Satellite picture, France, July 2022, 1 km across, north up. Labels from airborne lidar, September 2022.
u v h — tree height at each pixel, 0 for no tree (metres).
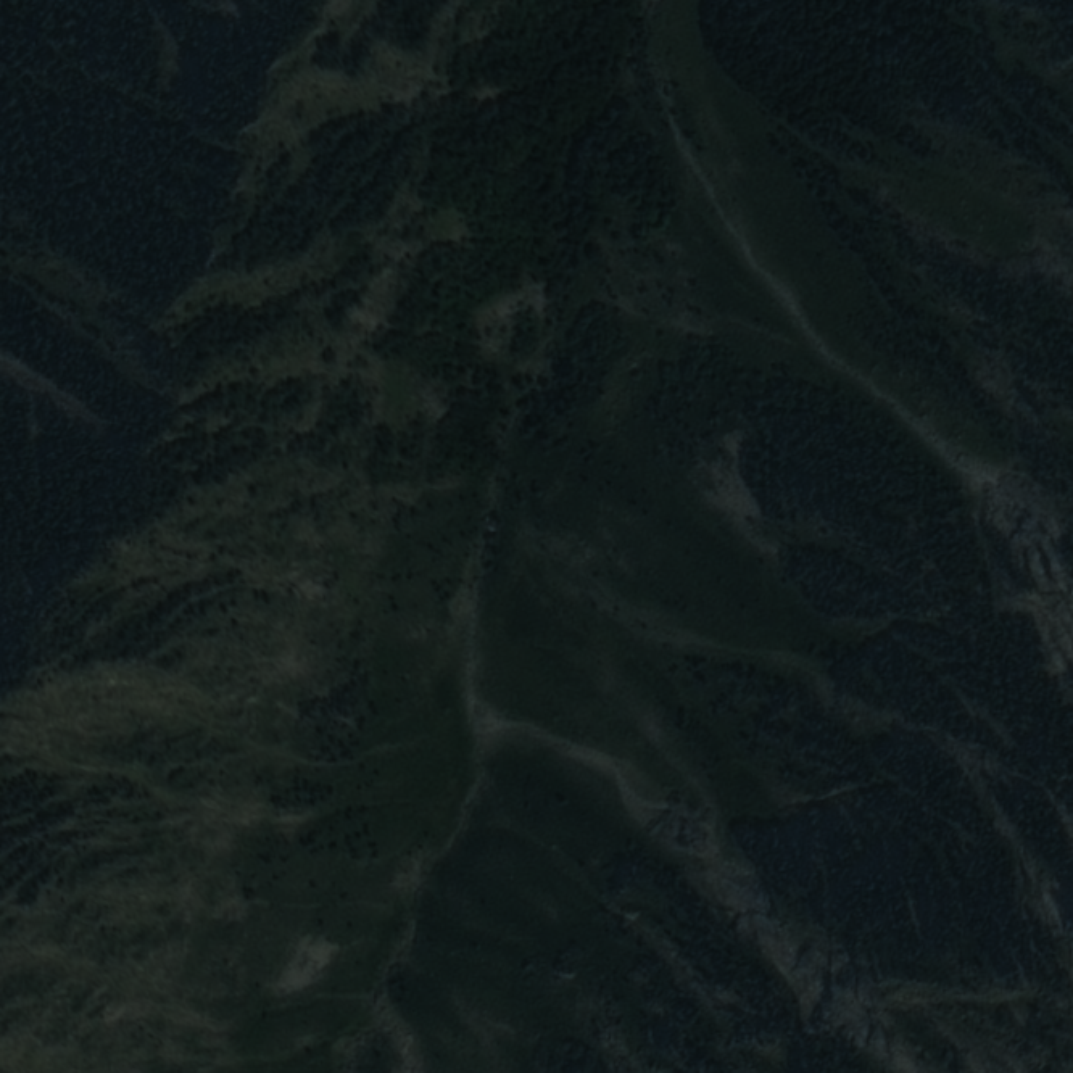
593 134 24
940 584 8
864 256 8
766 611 0
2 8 8
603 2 16
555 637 0
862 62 18
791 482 8
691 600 0
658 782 0
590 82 25
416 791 0
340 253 8
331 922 0
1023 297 7
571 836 0
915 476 9
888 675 9
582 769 0
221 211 8
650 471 0
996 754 6
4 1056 0
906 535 6
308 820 0
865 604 10
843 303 0
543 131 21
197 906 0
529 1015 0
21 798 17
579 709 0
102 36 10
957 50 12
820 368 0
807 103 12
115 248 10
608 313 10
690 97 0
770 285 0
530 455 0
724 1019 0
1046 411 6
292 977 0
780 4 16
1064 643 0
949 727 10
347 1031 0
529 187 22
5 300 9
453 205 10
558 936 0
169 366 9
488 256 13
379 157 20
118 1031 0
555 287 12
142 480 10
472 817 0
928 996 0
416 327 16
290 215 9
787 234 0
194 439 10
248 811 0
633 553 0
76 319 9
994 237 0
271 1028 0
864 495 11
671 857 0
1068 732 13
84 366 13
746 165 0
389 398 0
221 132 10
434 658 0
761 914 0
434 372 8
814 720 10
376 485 9
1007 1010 0
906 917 9
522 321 8
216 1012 0
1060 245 0
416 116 8
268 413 9
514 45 20
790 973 0
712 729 0
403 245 8
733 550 0
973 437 0
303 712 6
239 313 15
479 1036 0
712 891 0
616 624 0
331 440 7
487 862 0
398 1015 0
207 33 10
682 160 0
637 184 18
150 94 6
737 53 22
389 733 0
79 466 7
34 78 8
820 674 0
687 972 0
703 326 0
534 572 0
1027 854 0
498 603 0
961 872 10
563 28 21
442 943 0
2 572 9
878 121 15
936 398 0
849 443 9
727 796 0
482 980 0
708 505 0
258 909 0
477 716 0
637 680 0
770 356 0
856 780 13
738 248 0
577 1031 0
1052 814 8
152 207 10
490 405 17
